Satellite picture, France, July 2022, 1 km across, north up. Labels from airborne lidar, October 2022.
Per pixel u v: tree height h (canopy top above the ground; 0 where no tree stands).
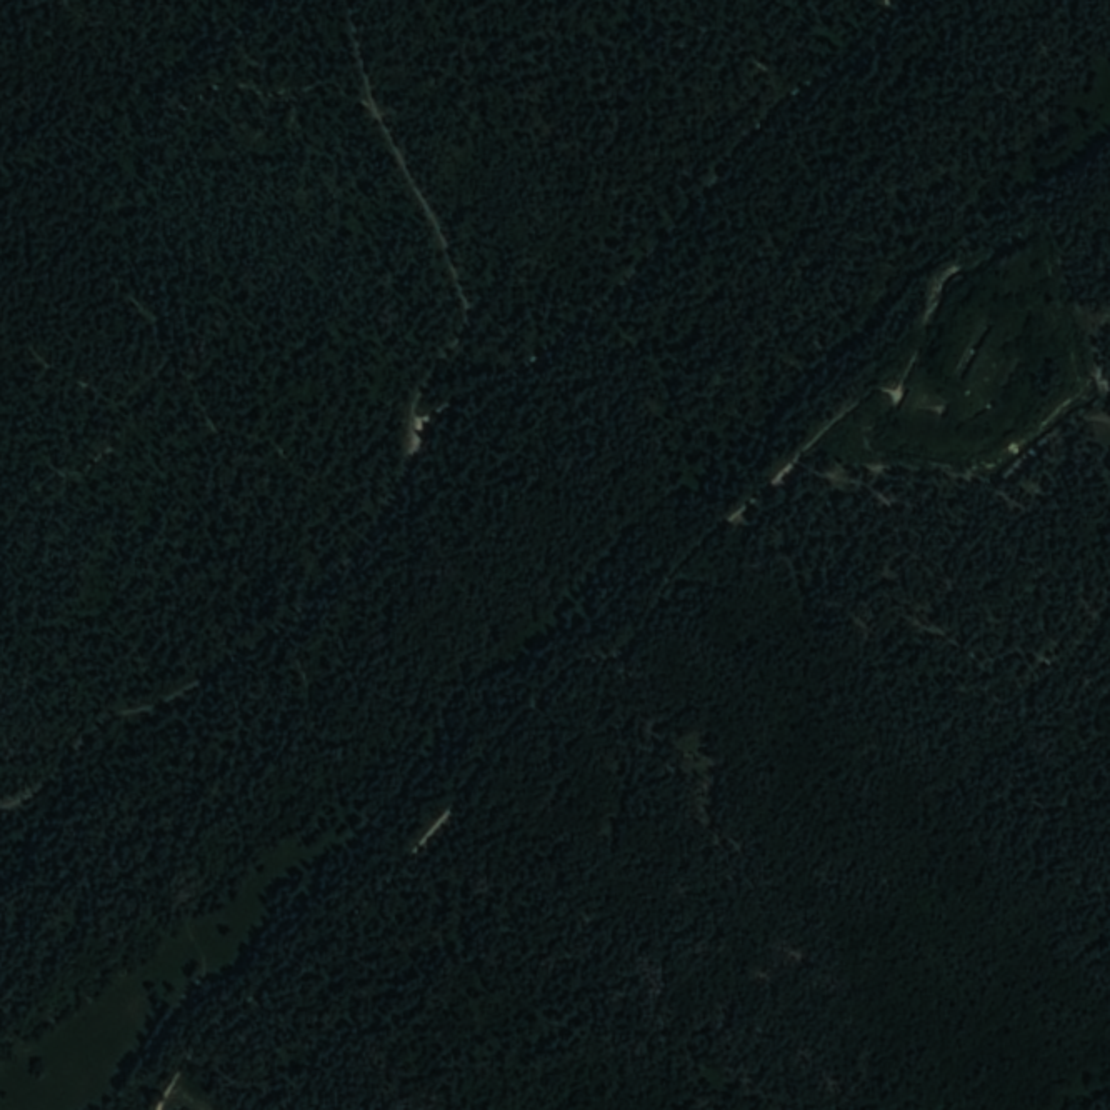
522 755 19
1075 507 19
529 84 16
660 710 26
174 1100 0
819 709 15
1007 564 25
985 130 19
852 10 7
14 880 20
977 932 14
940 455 7
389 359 13
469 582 15
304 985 22
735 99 14
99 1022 0
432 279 16
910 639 23
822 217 19
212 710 27
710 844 16
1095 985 23
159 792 17
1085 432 13
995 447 6
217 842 14
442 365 16
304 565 21
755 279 21
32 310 14
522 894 17
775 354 14
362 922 15
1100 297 20
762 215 11
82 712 6
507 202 6
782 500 15
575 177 14
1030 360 7
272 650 22
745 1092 21
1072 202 23
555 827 23
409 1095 17
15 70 18
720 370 21
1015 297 7
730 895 20
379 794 24
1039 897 21
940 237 14
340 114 7
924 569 18
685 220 11
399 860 10
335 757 24
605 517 28
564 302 28
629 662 24
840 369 27
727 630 17
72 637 29
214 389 9
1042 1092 18
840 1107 23
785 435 14
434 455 20
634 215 23
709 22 21
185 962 0
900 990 16
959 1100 21
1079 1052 18
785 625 18
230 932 14
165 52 14
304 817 13
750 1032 26
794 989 22
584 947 29
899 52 16
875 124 14
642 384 19
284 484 8
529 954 28
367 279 24
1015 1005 18
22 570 17
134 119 11
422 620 15
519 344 24
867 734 15
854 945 21
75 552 23
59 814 14
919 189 18
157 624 20
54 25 19
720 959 18
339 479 7
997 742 15
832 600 24
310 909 28
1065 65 19
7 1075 0
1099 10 23
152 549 20
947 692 17
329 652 20
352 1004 11
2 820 19
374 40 14
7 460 16
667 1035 22
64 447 23
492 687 28
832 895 19
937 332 7
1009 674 18
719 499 24
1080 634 16
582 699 18
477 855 24
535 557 15
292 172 20
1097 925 18
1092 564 24
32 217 14
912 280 17
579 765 18
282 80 15
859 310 30
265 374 17
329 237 16
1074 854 21
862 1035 24
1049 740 25
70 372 8
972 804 21
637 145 19
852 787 22
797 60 14
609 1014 31
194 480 14
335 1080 10
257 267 20
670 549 28
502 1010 9
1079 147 0
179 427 25
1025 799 22
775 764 22
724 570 19
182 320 25
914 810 16
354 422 12
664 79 16
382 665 17
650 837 23
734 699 21
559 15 21
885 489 25
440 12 10
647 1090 22
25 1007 13
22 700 21
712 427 23
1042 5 7
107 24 10
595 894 18
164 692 10
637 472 22
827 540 21
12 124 12
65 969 22
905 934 18
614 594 28
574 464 17
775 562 27
